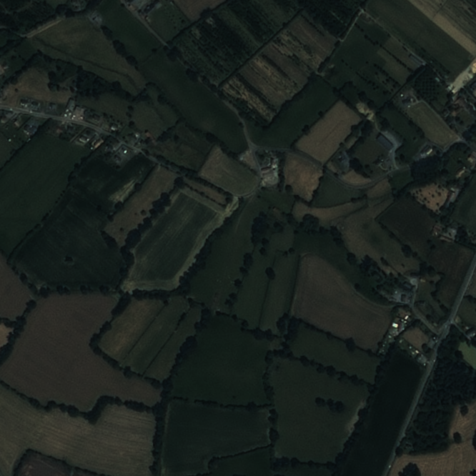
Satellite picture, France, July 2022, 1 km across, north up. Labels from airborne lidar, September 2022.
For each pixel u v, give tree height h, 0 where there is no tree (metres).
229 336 0
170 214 0
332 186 0
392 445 0
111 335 0
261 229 23
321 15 8
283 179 7
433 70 9
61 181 0
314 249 0
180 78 0
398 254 0
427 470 0
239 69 6
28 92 0
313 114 0
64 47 0
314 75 11
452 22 0
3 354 18
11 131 0
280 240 0
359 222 0
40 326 0
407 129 0
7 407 0
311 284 0
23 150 6
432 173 33
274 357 10
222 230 9
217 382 0
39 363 0
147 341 0
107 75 0
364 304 0
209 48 8
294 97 9
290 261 0
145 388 0
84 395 0
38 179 0
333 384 0
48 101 0
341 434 0
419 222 0
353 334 0
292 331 25
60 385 0
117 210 14
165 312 0
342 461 17
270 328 0
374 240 0
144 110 0
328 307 0
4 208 0
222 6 6
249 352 0
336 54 0
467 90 8
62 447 0
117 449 0
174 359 0
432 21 0
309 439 0
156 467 10
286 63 0
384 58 0
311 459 0
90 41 0
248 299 0
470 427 0
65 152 0
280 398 0
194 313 0
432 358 0
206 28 5
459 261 0
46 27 0
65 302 0
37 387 0
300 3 13
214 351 0
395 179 0
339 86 0
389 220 0
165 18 0
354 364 0
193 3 0
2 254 8
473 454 0
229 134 0
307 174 0
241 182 0
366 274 7
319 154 0
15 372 0
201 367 0
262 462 0
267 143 0
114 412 0
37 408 16
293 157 0
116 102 0
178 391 0
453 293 0
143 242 0
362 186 0
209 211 0
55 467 0
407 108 0
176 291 6
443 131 0
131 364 0
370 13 0
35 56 10
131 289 0
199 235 0
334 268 0
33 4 6
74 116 0
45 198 0
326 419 0
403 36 0
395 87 9
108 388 0
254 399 0
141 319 0
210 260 0
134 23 0
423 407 9
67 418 0
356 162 15
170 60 12
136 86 0
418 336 0
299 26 0
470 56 0
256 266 0
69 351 0
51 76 16
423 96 6
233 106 6
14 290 0
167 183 0
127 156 0
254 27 9
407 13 0
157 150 0
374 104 9
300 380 0
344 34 7
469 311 0
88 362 0
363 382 9
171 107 6
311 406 0
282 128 0
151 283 0
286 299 0
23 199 0
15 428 0
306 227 11
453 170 0
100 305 0
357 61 0
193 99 0
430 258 0
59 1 0
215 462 12
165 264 0
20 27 12
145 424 0
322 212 0
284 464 24
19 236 0
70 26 0
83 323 0
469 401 20
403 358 0
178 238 0
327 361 0
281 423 0
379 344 10
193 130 6
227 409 6
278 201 0
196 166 0
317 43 0
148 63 0
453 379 24
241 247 0
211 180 0
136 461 0
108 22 0
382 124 12
